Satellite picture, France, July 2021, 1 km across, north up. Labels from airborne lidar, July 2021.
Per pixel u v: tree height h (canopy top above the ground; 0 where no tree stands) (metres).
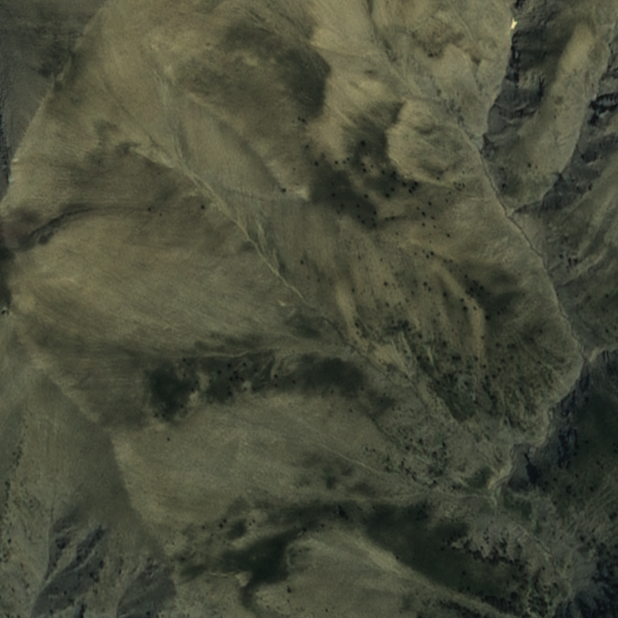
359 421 0
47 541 0
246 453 0
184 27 0
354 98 0
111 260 0
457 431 0
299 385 0
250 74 0
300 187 0
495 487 0
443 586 0
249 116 0
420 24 0
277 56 0
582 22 0
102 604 0
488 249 0
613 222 0
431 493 0
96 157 0
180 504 0
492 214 0
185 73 0
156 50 0
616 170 0
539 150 0
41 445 0
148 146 0
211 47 0
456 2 0
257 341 0
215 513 0
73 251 0
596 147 0
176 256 0
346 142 0
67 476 0
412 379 0
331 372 0
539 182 0
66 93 0
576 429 0
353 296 0
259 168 0
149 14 0
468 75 0
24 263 0
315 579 0
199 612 0
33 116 0
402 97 0
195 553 0
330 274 0
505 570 0
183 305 0
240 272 0
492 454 0
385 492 0
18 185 0
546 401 0
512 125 0
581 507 0
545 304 0
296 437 0
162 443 0
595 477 0
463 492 0
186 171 0
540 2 0
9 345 0
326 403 0
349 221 0
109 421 0
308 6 0
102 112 0
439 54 0
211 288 0
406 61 0
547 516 0
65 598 0
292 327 0
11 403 0
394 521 0
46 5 0
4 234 0
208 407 0
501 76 0
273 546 0
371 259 0
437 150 0
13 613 0
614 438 0
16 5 0
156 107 0
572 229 0
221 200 0
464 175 0
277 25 0
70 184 0
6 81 0
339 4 0
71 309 0
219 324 0
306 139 0
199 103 0
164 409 0
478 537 0
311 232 0
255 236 0
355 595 0
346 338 0
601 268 0
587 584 0
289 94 0
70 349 0
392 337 0
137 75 0
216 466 0
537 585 10
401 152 0
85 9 0
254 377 0
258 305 0
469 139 0
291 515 0
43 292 0
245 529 0
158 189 0
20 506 0
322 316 0
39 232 0
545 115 0
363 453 0
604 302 0
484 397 0
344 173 0
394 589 0
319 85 0
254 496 0
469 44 0
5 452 0
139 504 0
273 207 0
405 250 0
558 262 0
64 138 0
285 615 0
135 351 0
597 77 0
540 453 0
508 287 0
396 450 0
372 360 0
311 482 0
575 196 0
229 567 0
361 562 0
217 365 0
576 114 0
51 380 0
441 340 0
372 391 0
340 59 0
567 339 0
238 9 0
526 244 0
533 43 0
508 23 0
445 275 0
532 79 0
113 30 0
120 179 0
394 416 0
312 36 0
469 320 0
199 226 0
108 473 0
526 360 0
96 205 0
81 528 0
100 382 0
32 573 0
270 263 0
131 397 0
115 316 0
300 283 0
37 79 0
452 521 0
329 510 0
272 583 0
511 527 0
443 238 0
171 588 0
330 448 0
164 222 0
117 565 0
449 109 0
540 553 0
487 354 0
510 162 0
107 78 0
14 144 0
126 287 0
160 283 0
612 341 0
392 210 0
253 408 0
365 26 0
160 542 0
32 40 0
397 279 0
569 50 0
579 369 0
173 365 0
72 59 0
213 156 0
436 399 0
